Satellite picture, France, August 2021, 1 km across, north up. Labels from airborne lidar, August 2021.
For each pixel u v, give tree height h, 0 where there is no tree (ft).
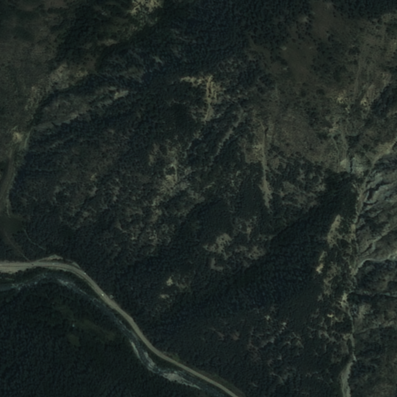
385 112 47
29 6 0
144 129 62
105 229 22
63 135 27
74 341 0
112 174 31
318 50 24
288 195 39
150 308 32
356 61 27
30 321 51
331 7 0
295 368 31
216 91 18
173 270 22
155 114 23
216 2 38
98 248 76
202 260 63
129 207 37
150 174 27
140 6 25
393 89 25
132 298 42
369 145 24
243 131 22
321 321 54
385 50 20
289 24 35
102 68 28
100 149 28
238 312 37
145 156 52
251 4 45
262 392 59
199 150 41
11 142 31
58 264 0
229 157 50
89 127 29
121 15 42
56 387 65
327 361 80
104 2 59
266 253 33
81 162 25
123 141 46
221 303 72
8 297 44
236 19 51
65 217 40
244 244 51
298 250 62
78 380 94
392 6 30
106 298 0
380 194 0
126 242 53
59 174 34
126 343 37
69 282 0
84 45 25
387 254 0
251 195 45
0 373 68
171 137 44
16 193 49
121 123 49
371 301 35
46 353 91
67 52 43
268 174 26
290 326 40
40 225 65
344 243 70
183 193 45
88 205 39
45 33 0
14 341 72
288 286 85
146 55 39
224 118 24
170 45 58
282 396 57
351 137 52
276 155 31
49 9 24
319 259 33
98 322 72
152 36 18
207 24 40
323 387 76
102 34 24
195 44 23
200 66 53
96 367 66
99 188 52
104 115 20
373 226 28
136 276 60
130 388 61
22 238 52
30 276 50
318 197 21
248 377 49
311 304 46
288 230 62
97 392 61
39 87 22
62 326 41
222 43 46
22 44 0
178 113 55
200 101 68
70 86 33
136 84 28
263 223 54
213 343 66
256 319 48
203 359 77
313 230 73
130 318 0
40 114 21
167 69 41
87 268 55
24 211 34
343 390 0
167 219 48
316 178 40
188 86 43
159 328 94
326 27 0
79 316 32
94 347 49
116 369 38
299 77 0
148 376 52
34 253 34
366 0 33
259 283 27
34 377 82
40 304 55
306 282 76
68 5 32
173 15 22
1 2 24
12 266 0
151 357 26
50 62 28
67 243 77
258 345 75
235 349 67
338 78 25
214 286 93
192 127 45
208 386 22
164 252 69
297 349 65
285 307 49
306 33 23
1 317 74
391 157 0
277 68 0
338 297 57
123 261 104
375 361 28
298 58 0
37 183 26
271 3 48
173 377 0
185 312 47
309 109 25
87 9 45
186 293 34
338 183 34
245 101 42
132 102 23
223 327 57
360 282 22
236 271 63
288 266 71
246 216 29
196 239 24
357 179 30
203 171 30
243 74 65
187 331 47
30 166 41
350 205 34
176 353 62
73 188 33
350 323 46
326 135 19
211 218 76
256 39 49
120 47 37
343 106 19
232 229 67
